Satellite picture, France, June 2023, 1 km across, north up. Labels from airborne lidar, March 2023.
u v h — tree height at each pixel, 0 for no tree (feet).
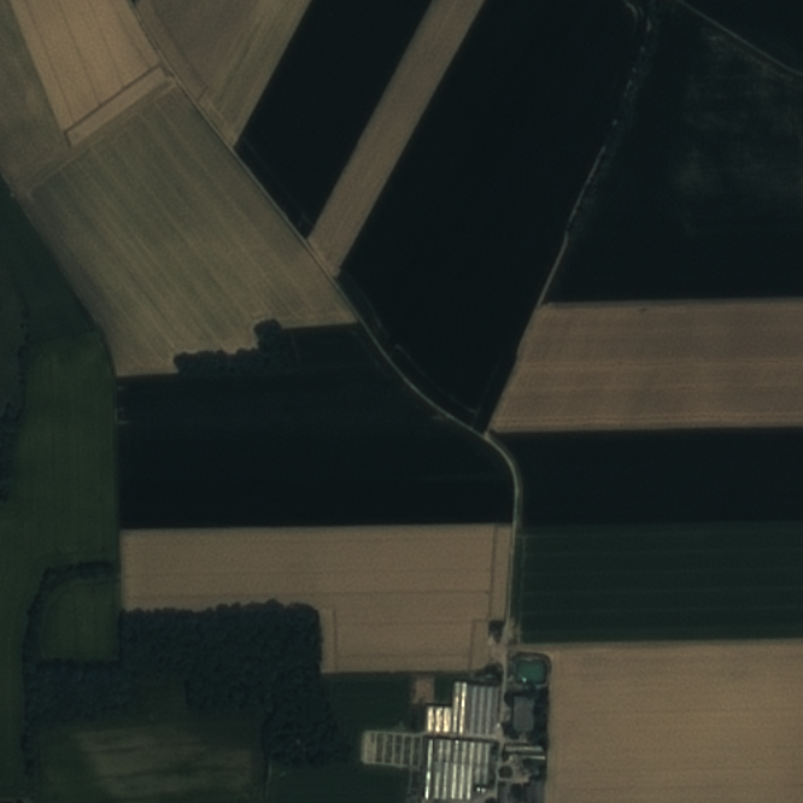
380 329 0
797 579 0
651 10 40
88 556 0
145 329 0
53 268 0
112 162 0
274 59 0
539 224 0
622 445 0
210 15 0
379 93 0
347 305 0
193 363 50
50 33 0
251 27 0
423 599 0
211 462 0
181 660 65
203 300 0
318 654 61
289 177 0
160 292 0
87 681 69
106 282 0
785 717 0
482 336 0
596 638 0
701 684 0
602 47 0
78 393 0
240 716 0
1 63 0
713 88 0
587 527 0
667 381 0
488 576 0
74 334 0
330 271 0
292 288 0
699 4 0
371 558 0
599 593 0
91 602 0
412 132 0
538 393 0
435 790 0
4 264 0
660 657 0
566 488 0
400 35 0
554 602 0
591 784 0
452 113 0
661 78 0
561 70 0
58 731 0
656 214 0
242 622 78
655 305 0
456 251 0
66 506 0
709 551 0
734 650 0
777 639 0
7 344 0
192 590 0
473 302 0
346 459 0
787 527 0
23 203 0
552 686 0
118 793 0
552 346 0
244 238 0
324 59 0
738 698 0
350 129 0
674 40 0
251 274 0
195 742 0
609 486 0
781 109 0
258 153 0
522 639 0
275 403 0
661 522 0
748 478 0
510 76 0
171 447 0
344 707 0
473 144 0
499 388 0
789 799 0
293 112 0
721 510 0
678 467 0
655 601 0
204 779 0
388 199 0
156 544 0
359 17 0
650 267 0
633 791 0
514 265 0
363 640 0
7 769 0
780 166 0
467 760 0
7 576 0
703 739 0
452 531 0
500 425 0
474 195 0
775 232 0
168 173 0
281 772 0
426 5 0
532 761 30
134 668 57
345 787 0
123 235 0
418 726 0
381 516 0
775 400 0
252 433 0
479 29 0
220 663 70
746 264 0
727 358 0
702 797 0
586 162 0
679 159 0
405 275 0
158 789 0
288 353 43
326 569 0
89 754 0
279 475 0
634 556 0
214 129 0
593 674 0
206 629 74
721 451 0
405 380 0
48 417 0
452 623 0
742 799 0
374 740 0
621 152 0
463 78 0
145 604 0
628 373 0
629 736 0
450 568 0
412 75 0
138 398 0
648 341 0
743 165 0
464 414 0
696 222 0
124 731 0
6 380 0
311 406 0
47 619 0
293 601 0
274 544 0
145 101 0
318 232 0
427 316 0
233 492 0
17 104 0
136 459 0
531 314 0
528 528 0
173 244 0
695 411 0
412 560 0
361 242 0
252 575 0
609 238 0
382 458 0
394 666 0
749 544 0
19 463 0
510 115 0
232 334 0
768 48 0
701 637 0
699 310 0
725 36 0
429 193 0
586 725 0
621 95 0
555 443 0
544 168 0
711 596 0
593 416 0
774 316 0
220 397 0
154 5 0
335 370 0
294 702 75
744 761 0
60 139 0
